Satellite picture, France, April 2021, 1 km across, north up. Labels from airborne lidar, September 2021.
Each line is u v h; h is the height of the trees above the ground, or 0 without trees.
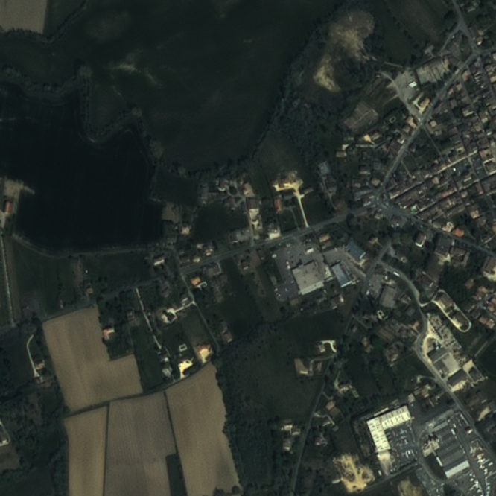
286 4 0
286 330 0
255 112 0
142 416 0
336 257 0
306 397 0
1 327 10
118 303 9
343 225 0
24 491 0
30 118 0
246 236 0
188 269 0
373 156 6
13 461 0
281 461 13
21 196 0
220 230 0
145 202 0
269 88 0
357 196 0
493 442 0
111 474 0
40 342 11
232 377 9
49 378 17
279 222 7
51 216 0
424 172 0
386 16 0
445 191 0
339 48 0
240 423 8
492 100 0
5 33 11
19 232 0
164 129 0
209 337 0
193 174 7
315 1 0
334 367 11
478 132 0
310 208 0
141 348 0
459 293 9
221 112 0
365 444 6
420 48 12
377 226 11
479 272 10
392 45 0
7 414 18
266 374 0
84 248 0
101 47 0
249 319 0
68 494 19
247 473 10
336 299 0
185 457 0
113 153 0
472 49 9
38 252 0
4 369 0
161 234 7
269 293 0
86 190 0
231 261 0
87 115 9
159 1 0
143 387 6
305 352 0
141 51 0
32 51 0
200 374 0
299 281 0
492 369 0
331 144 0
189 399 0
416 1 0
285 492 21
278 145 0
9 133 0
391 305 0
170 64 0
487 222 7
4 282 9
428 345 0
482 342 0
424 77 0
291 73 12
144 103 0
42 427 8
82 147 0
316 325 0
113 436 0
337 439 7
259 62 0
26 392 6
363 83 22
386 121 5
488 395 0
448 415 0
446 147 14
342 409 13
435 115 7
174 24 0
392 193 0
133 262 0
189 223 10
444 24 0
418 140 6
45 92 10
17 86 0
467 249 6
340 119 17
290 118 17
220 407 0
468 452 0
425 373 0
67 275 0
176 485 0
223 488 0
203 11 0
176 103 0
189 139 0
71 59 0
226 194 10
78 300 7
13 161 0
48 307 0
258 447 10
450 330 11
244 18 0
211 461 0
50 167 0
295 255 0
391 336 0
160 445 0
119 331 12
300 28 0
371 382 0
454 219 0
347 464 0
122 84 0
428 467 0
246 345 9
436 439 0
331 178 12
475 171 6
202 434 0
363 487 0
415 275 7
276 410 0
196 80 0
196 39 0
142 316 10
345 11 16
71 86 8
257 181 0
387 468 0
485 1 8
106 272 0
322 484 9
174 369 14
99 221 0
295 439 0
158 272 14
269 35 0
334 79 0
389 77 0
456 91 6
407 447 0
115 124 12
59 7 0
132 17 0
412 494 0
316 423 10
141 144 0
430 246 12
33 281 0
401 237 24
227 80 0
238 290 0
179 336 6
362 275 0
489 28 0
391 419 0
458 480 0
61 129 0
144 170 0
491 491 0
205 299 13
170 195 0
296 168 0
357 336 0
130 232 0
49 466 11
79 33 0
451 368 0
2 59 0
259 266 0
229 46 0
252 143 0
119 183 0
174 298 0
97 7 0
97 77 0
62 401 12
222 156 0
